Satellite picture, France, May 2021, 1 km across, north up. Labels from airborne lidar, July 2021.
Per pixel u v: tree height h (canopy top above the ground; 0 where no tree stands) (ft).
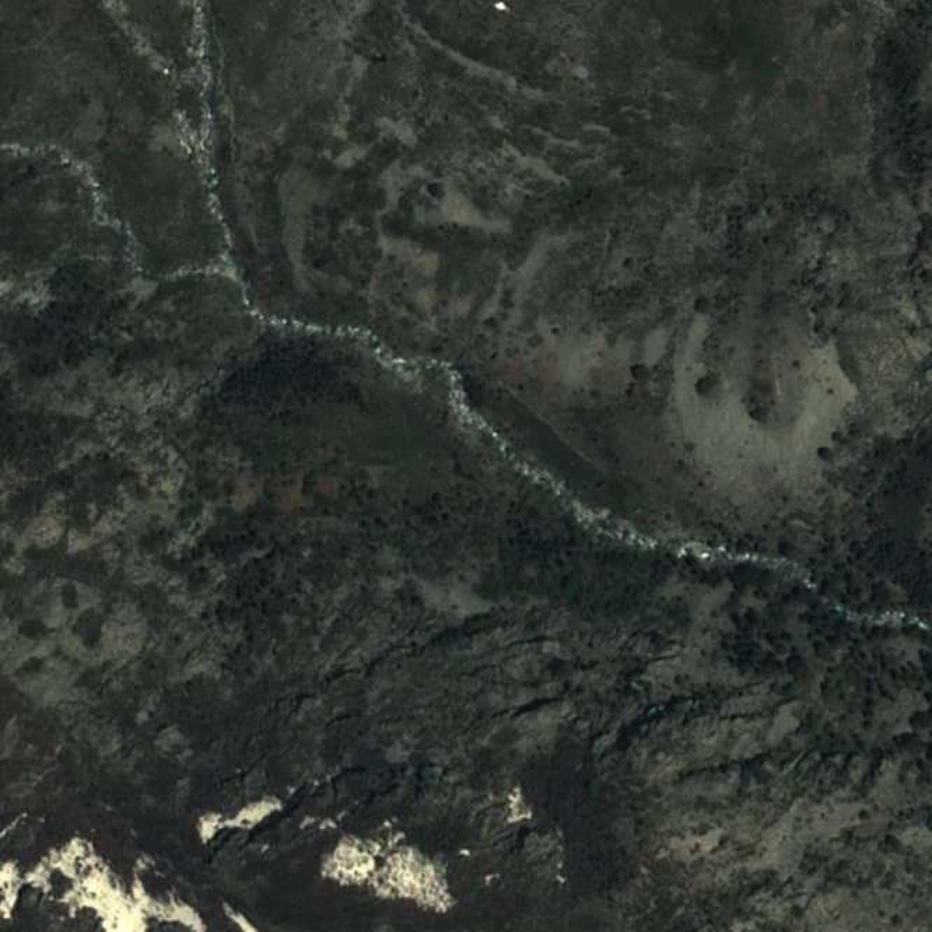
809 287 51
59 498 0
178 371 0
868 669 20
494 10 0
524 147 0
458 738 0
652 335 0
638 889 0
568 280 0
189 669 0
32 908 0
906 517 0
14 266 24
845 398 0
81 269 30
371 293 0
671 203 0
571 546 48
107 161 0
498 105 0
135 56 0
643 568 39
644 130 0
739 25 0
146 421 0
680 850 0
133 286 0
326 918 0
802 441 0
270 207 0
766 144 0
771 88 0
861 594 57
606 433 0
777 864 0
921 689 30
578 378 0
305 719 0
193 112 0
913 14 31
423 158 0
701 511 30
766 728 19
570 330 0
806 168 0
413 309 0
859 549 35
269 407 30
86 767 0
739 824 0
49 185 0
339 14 0
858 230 30
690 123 0
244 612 22
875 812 19
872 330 0
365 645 0
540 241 0
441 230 26
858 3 0
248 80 0
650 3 0
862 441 0
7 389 29
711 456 0
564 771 21
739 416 0
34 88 0
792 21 0
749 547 35
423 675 0
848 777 26
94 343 37
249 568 30
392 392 0
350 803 28
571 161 0
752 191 34
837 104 0
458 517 28
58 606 0
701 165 0
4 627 0
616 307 0
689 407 0
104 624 0
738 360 0
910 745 82
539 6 0
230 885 0
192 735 26
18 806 26
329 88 0
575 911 0
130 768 0
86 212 0
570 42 0
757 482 0
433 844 23
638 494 0
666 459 0
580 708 28
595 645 24
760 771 37
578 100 0
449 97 0
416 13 0
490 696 0
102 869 25
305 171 0
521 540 30
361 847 26
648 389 0
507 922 0
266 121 0
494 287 0
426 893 18
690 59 0
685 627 23
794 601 62
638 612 24
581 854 20
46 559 23
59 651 0
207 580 30
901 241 0
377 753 22
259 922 0
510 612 31
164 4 0
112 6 0
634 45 0
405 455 0
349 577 28
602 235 0
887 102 0
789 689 39
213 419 34
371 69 0
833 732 23
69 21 0
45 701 0
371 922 0
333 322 21
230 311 32
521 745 0
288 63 0
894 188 0
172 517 0
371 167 0
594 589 32
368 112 0
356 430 0
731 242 19
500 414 0
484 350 0
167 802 0
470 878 0
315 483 38
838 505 0
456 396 0
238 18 0
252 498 0
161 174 0
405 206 0
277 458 32
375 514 29
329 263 56
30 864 19
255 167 0
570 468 0
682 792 0
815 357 0
